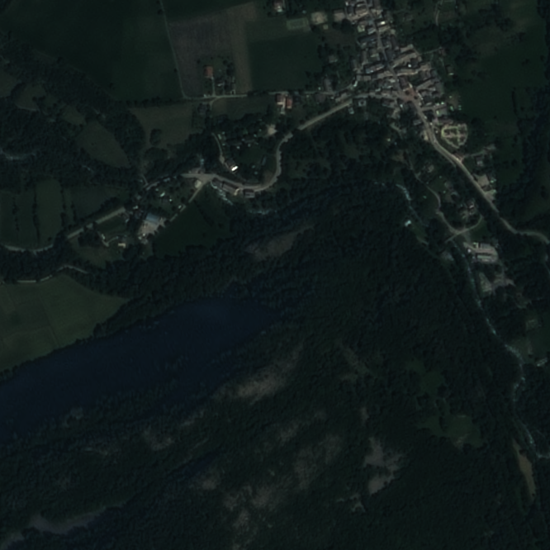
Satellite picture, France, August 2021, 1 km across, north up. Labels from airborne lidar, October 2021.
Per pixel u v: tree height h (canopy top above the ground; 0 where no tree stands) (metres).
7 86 0
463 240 0
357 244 26
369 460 0
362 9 0
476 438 0
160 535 14
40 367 16
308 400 22
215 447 9
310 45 0
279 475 6
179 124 0
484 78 6
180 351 32
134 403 17
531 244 18
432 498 18
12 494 8
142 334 20
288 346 11
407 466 10
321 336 20
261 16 0
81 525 0
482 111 0
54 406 21
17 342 0
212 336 24
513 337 12
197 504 9
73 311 0
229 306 15
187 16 0
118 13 0
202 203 0
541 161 23
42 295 0
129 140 16
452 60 0
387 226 23
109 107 7
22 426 21
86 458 12
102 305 0
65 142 8
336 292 17
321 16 0
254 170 8
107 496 9
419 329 25
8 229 0
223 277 17
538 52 0
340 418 18
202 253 22
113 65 0
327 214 16
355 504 11
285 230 6
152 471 12
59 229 0
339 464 14
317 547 9
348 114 8
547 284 19
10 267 23
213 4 0
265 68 0
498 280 0
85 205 0
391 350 22
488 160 8
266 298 24
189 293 16
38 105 13
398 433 14
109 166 9
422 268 21
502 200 19
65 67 16
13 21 0
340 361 21
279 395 21
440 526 22
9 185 7
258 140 8
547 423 23
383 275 16
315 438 8
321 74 7
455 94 0
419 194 9
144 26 0
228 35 0
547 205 0
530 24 0
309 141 17
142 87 0
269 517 8
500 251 20
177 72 9
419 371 0
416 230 0
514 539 21
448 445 15
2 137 9
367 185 21
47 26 0
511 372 13
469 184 15
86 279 19
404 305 17
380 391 9
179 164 9
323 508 10
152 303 6
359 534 23
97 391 23
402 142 17
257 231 18
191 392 13
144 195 15
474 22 0
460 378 27
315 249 21
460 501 30
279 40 0
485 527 27
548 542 17
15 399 11
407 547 27
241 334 23
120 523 19
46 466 10
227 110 0
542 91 7
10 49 9
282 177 8
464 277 15
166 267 19
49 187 0
